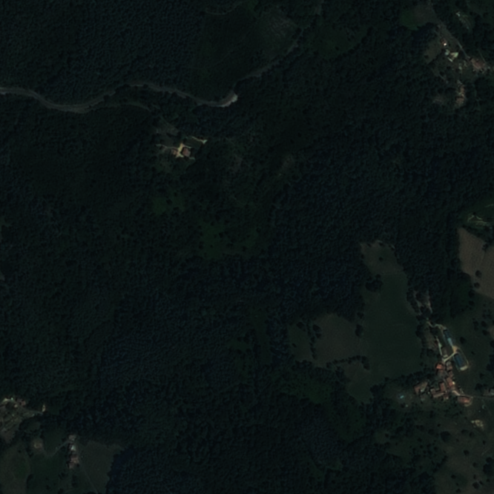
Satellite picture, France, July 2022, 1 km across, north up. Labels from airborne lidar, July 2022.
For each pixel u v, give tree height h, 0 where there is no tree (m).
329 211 22
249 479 30
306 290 36
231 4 25
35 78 20
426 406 0
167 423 24
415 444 0
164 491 34
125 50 26
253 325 7
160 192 18
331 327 0
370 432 8
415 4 16
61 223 7
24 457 0
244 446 27
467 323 0
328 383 6
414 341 0
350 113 26
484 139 13
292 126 7
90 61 23
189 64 24
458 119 17
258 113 19
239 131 14
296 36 17
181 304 17
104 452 0
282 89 19
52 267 19
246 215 13
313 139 7
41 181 8
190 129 21
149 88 19
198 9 19
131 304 22
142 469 31
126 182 7
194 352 29
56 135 19
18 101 20
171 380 14
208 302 27
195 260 19
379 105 24
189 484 38
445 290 13
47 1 16
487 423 0
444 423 0
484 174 32
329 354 0
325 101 24
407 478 17
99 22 30
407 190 28
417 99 12
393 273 0
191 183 6
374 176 27
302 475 22
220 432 10
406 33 29
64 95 28
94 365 26
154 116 17
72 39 25
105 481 0
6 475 0
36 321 19
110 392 11
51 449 0
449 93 11
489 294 0
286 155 8
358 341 0
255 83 22
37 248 26
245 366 9
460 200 27
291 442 17
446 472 0
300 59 31
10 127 25
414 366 0
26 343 21
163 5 29
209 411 29
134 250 29
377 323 0
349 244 16
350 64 22
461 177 27
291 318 25
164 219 15
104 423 30
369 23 27
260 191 15
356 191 21
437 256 20
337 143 26
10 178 25
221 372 31
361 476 10
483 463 0
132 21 28
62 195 11
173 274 22
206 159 9
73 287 23
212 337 29
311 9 26
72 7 26
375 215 19
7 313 20
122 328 23
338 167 26
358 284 22
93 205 7
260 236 10
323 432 25
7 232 12
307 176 26
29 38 11
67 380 23
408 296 9
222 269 28
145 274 6
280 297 31
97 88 12
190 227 13
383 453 25
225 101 0
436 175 39
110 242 8
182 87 23
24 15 18
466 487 0
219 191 9
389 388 0
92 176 7
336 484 12
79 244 19
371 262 0
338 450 27
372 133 9
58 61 18
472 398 0
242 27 7
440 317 11
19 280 26
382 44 6
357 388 0
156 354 27
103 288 19
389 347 0
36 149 7
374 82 25
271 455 24
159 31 26
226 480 30
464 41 11
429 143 13
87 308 19
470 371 0
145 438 23
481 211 0
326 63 25
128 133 10
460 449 0
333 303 27
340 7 24
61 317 19
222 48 6
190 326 28
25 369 23
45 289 25
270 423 20
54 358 19
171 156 11
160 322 22
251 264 18
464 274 23
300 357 0
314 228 17
